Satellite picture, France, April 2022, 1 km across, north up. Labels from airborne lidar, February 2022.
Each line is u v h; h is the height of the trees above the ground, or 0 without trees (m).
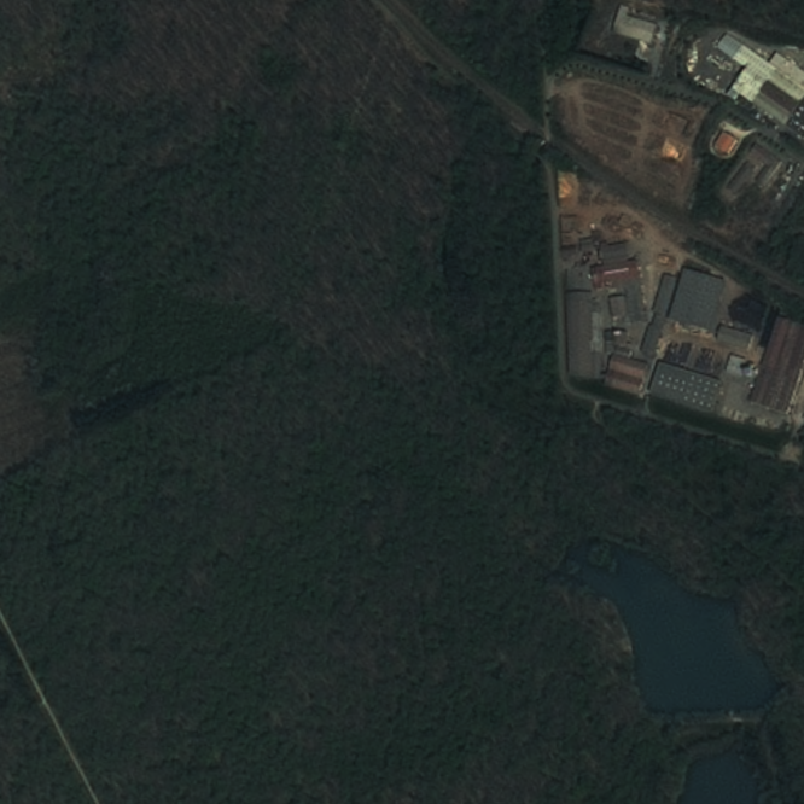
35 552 29
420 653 27
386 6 0
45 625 25
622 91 0
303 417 31
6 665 26
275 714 26
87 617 25
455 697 26
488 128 23
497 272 25
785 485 0
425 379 26
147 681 24
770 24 25
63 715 26
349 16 29
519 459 25
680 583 11
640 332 0
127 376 0
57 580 27
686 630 0
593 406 0
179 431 27
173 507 26
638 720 26
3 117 26
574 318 0
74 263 26
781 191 0
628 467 27
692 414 0
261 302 25
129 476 26
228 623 24
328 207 29
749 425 0
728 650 0
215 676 27
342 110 31
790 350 0
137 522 22
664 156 0
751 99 0
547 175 27
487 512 24
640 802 28
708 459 26
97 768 29
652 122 0
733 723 0
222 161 29
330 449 25
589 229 0
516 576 25
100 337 26
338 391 26
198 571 29
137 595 25
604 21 0
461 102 25
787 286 0
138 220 26
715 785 0
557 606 28
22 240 27
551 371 24
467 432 28
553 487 28
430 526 26
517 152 29
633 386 0
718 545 28
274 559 26
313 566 24
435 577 27
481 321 24
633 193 0
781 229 10
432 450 24
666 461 30
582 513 23
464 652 27
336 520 26
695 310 0
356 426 29
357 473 25
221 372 14
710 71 0
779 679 13
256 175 26
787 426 0
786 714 29
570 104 0
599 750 24
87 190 29
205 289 25
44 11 28
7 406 0
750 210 0
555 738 29
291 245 27
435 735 23
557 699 27
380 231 28
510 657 29
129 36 24
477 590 28
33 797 24
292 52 28
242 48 29
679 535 26
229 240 30
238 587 28
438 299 23
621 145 0
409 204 30
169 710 29
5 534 25
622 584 0
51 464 25
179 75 29
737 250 0
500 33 26
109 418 26
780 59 0
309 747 26
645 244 0
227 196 26
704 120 0
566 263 0
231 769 24
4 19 26
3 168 27
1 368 0
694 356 0
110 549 27
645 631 0
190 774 28
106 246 28
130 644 28
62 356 22
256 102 31
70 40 15
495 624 26
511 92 26
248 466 24
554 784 28
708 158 8
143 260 30
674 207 0
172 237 26
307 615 24
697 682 0
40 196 29
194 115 28
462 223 20
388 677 27
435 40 0
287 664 25
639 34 0
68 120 24
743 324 0
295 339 27
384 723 29
